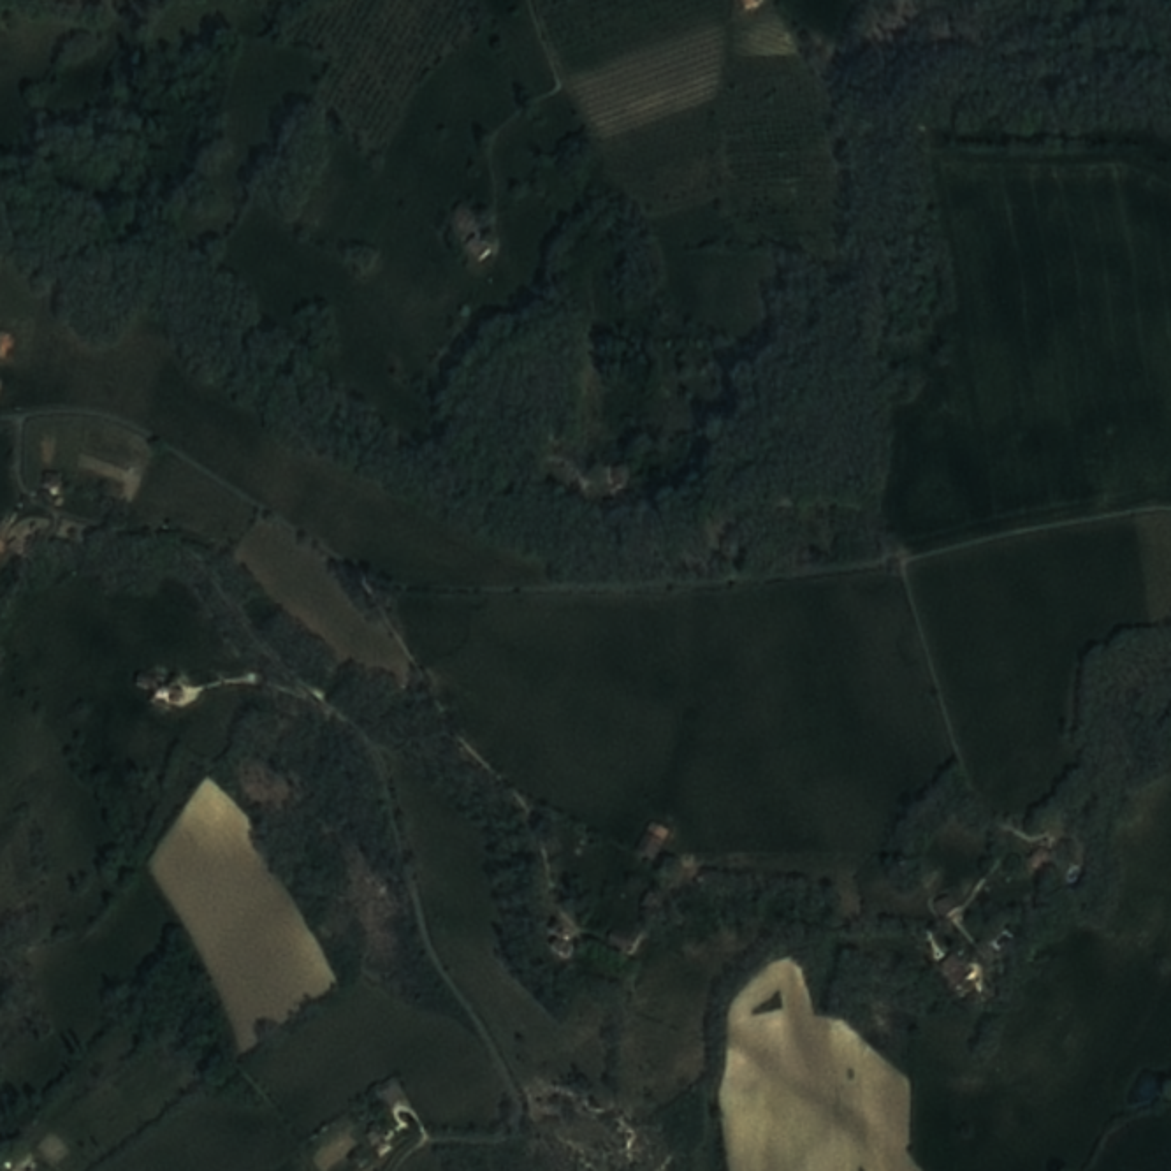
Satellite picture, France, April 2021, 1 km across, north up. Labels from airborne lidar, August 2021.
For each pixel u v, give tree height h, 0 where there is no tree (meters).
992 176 0
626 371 30
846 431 19
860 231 20
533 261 0
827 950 20
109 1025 9
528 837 18
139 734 0
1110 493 0
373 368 0
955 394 0
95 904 0
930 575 0
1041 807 10
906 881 16
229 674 0
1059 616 0
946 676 0
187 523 0
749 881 14
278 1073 0
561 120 0
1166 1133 0
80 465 0
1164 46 23
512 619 0
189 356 17
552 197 7
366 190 0
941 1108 0
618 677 0
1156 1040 0
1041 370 0
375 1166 0
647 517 27
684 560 17
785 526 9
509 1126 10
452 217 9
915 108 17
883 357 8
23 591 16
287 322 0
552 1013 16
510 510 24
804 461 16
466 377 22
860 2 7
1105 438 0
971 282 0
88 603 0
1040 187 0
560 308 21
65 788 0
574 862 0
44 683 0
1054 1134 0
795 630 0
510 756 0
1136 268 0
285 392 27
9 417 0
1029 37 13
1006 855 15
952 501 0
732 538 12
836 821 0
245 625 13
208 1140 0
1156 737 26
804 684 0
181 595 0
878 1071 0
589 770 0
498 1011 0
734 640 0
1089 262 0
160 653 0
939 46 8
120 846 11
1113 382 0
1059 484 0
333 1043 0
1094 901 23
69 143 24
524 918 10
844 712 0
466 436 28
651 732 0
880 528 12
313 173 21
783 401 21
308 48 9
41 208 21
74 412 0
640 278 20
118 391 0
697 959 0
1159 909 0
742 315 0
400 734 19
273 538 0
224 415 0
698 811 0
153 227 23
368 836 10
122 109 17
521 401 23
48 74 6
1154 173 0
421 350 0
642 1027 0
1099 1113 0
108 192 6
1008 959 17
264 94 0
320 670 17
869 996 21
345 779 12
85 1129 0
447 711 6
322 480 0
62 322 12
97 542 18
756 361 21
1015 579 0
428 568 0
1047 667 0
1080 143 13
